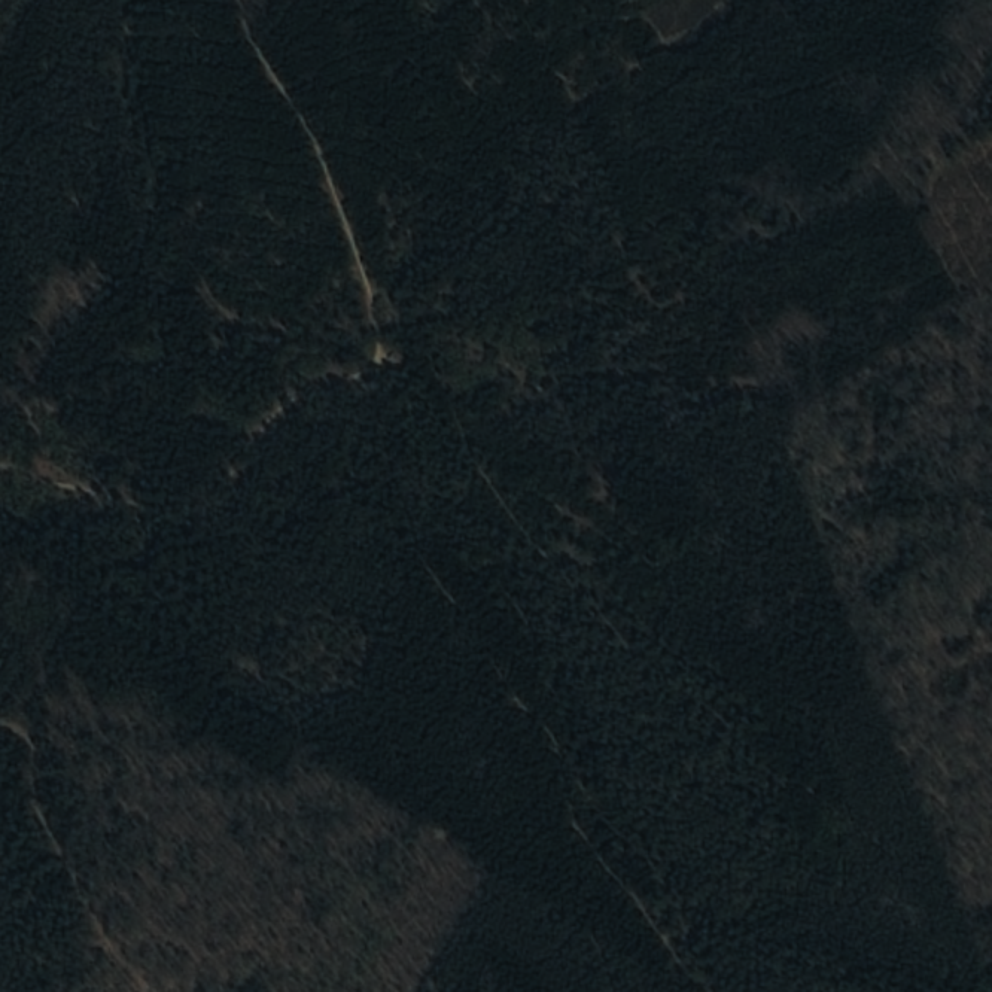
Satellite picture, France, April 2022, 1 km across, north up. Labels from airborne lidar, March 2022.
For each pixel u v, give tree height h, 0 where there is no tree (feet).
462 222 87
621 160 66
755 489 83
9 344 96
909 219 71
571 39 33
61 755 44
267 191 43
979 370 85
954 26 56
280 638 78
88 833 76
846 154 70
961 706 84
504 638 77
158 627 112
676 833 82
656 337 31
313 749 77
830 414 90
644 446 93
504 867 75
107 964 75
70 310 84
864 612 72
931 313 73
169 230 76
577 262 87
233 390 74
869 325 73
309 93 55
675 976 77
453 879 98
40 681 58
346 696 32
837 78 71
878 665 87
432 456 60
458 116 48
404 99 53
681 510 98
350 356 80
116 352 67
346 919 68
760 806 76
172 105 47
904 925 64
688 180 49
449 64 70
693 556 48
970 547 75
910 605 83
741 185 51
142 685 82
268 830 78
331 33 53
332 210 42
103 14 91
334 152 31
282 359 91
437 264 83
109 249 98
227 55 59
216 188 50
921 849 69
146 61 59
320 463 78
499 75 68
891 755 68
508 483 43
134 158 66
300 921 86
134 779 88
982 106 49
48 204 85
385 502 74
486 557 31
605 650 50
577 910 81
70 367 81
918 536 77
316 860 78
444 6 39
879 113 56
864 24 94
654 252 43
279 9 62
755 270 64
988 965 59
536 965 84
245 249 40
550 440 64
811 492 62
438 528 99
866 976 52
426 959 87
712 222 27
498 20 72
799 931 83
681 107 61
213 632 88
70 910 89
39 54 81
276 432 40
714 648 60
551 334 76
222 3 52
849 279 73
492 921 71
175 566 103
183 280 61
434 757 75
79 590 117
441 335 84
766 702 72
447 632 83
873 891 74
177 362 82
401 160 55
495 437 43
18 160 85
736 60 66
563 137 79
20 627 41
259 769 102
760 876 59
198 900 84
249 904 83
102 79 87
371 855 80
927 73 67
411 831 83
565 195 91
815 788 53
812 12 68
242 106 60
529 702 71
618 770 85
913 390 98
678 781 62
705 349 28
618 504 80
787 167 46
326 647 62
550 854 80
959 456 79
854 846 58
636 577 51
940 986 73
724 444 66
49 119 94
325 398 81
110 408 84
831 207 64
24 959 64
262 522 92
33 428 73
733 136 45
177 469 95
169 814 81
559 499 35
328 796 81
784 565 85
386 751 82
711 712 28
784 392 65
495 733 83
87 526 30
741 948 92
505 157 88
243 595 93
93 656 110
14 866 73
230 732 88
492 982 73
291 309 68
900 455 87
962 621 83
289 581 89
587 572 25
